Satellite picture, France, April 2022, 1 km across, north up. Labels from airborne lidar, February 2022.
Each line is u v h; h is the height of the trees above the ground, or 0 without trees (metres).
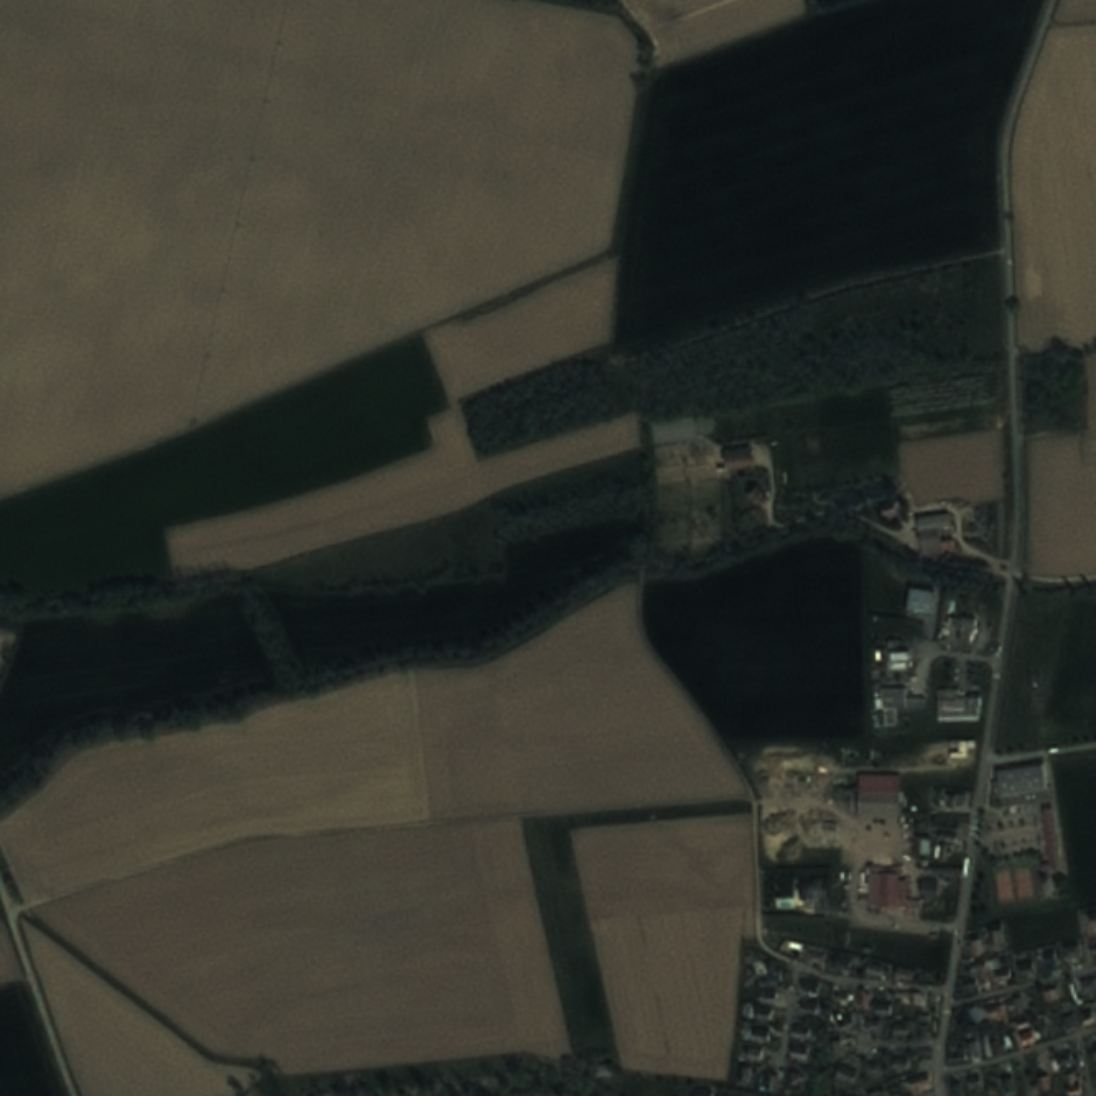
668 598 0
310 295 0
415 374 0
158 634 0
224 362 0
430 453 0
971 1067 0
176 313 0
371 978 0
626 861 0
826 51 0
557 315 0
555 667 0
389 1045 0
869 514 12
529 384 10
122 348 0
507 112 0
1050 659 0
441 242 0
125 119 0
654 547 14
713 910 0
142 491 0
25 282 0
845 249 0
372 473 0
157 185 0
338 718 0
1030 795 0
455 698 0
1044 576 0
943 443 0
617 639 0
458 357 0
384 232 0
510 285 0
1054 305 0
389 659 14
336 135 0
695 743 0
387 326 0
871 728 0
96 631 0
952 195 0
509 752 0
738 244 0
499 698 0
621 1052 0
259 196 0
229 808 0
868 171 0
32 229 0
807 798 0
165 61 0
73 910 0
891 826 0
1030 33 0
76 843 0
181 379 0
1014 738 0
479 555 0
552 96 0
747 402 16
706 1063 0
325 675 12
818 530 11
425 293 0
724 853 0
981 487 0
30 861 0
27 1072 0
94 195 0
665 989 0
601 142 0
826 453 0
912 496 0
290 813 0
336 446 0
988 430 0
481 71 0
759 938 0
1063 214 0
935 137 0
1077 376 17
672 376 13
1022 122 0
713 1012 0
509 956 0
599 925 0
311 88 0
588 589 13
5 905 0
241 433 0
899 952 0
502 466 0
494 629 0
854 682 0
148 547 0
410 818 0
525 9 0
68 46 0
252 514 0
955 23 0
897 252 0
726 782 0
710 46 0
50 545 0
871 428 0
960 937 0
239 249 0
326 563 0
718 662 0
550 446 0
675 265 0
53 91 0
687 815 0
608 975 0
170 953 0
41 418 0
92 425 0
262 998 0
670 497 0
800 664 0
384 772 0
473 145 0
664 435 0
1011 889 0
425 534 0
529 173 0
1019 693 0
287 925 0
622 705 0
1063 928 0
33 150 0
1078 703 0
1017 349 0
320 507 0
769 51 0
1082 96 0
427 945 0
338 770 0
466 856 0
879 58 0
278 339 0
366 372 0
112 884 0
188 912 0
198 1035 0
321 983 0
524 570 0
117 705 0
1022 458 0
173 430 0
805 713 0
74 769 0
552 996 0
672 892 0
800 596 0
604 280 0
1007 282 0
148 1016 0
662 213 0
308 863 0
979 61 0
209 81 0
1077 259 0
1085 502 0
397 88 0
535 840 0
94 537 0
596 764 0
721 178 0
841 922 0
